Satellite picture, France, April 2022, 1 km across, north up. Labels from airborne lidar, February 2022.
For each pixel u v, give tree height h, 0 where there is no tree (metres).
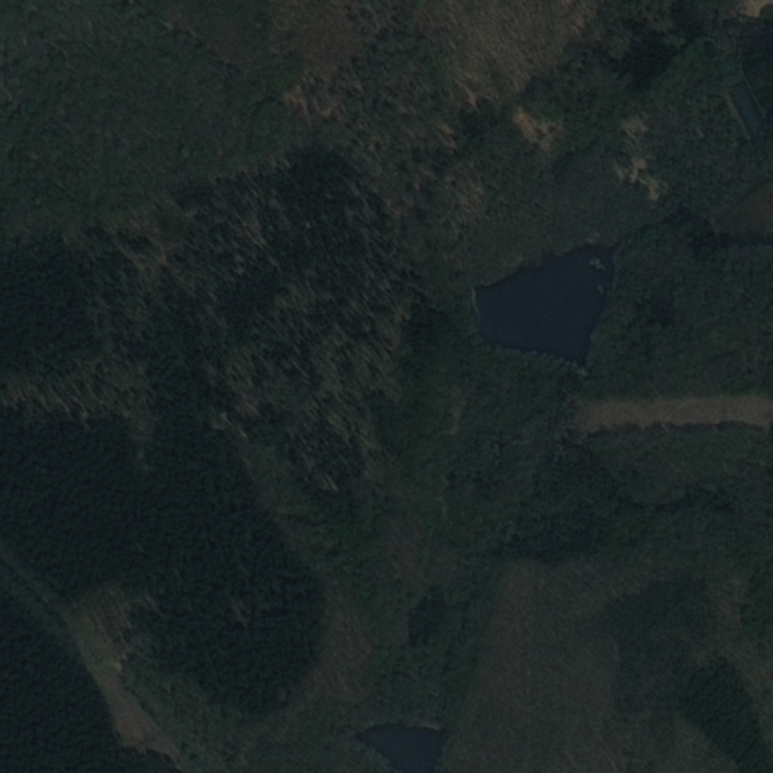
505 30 17
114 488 30
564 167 20
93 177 27
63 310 27
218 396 25
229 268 24
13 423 26
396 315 20
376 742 0
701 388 22
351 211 23
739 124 13
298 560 31
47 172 23
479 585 18
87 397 22
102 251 20
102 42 25
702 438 20
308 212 30
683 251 25
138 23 27
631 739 19
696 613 16
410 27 29
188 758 20
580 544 25
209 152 28
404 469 22
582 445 22
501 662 0
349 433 20
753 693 18
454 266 14
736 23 8
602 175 19
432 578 24
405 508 22
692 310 24
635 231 10
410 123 21
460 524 7
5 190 25
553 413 14
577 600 0
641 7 20
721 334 25
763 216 0
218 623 27
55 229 26
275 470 20
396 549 27
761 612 23
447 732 16
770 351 22
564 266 0
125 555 34
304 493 24
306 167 24
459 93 21
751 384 19
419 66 27
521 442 13
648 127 14
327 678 30
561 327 0
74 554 34
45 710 30
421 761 0
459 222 15
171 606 27
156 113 25
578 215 14
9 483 27
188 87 27
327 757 23
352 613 29
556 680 0
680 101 7
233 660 22
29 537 33
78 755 31
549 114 27
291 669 27
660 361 26
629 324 25
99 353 34
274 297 25
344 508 28
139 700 23
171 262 0
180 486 32
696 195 21
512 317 0
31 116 25
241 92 26
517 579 0
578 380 22
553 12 16
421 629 26
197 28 14
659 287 22
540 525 17
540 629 0
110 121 21
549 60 22
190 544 30
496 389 18
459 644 19
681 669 14
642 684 15
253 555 28
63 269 39
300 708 26
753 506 26
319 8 7
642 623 11
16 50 26
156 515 29
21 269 35
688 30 19
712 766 16
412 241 22
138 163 27
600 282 0
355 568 24
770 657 21
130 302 24
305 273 19
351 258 25
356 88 0
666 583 16
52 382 23
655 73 20
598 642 13
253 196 25
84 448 31
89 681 31
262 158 22
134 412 21
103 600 0
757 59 23
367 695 26
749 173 21
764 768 15
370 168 26
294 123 23
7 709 29
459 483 27
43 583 29
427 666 8
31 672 32
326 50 9
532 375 19
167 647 26
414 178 28
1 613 33
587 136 24
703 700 15
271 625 29
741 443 22
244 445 22
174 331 21
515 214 17
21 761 26
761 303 23
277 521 24
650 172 6
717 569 18
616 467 20
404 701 19
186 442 37
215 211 26
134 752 0
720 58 13
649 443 28
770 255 23
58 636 31
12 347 30
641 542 21
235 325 26
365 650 29
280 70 11
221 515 32
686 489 23
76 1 28
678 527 23
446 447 7
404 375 19
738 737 11
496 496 16
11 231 24
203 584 24
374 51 7
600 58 15
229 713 26
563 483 22
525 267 0
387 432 20
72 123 24
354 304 22
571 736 0
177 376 26
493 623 0
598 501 19
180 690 18
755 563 24
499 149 22
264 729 27
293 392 23
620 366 21
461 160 25
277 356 25
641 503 22
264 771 21
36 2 28
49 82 28
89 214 27
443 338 26
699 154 15
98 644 0
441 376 23
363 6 25
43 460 26
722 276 23
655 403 24
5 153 28
